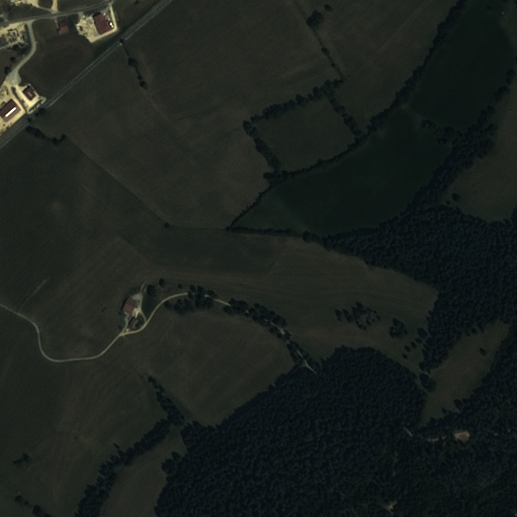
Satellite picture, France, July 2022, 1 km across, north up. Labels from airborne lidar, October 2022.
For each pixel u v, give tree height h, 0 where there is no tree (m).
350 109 0
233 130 0
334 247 19
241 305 18
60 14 0
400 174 0
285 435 32
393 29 0
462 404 24
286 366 0
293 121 0
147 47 0
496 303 30
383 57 0
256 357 0
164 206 0
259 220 0
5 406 0
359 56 0
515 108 0
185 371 0
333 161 13
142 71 0
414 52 0
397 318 0
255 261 0
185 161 0
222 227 0
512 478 11
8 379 0
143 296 0
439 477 33
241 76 0
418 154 0
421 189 0
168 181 0
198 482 19
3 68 0
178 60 0
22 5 0
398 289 0
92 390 0
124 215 0
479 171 0
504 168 0
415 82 22
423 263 26
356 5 0
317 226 0
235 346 0
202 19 0
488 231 27
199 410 0
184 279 0
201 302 18
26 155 0
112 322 0
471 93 0
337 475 31
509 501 10
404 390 26
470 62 0
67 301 0
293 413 29
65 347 0
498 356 6
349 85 0
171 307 18
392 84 0
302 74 0
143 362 0
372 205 0
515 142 0
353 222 0
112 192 0
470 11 0
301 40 0
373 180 0
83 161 0
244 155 0
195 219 0
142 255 0
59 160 0
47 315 0
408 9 0
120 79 0
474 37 0
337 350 0
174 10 0
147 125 0
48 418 0
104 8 0
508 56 0
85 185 0
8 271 0
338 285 0
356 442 37
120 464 23
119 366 0
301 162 0
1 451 0
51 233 0
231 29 0
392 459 9
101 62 0
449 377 0
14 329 0
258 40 0
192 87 0
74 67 0
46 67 0
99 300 0
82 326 0
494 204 0
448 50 0
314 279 0
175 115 0
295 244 0
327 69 0
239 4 0
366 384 26
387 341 0
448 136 23
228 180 0
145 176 0
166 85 0
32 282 0
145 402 0
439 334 27
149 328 0
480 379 0
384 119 16
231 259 0
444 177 23
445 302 12
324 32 0
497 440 34
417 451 9
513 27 0
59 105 0
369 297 0
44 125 0
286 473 9
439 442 9
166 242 0
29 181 0
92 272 0
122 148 0
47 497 0
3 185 0
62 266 0
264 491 35
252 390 0
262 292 0
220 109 0
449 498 7
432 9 0
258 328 0
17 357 0
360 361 21
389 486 11
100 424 0
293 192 0
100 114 0
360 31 0
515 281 32
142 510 0
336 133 0
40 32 0
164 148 0
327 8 15
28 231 0
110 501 0
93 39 0
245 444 11
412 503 10
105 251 0
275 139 0
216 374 0
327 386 30
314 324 0
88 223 0
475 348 0
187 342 0
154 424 0
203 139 0
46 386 0
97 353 0
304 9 0
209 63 0
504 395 32
